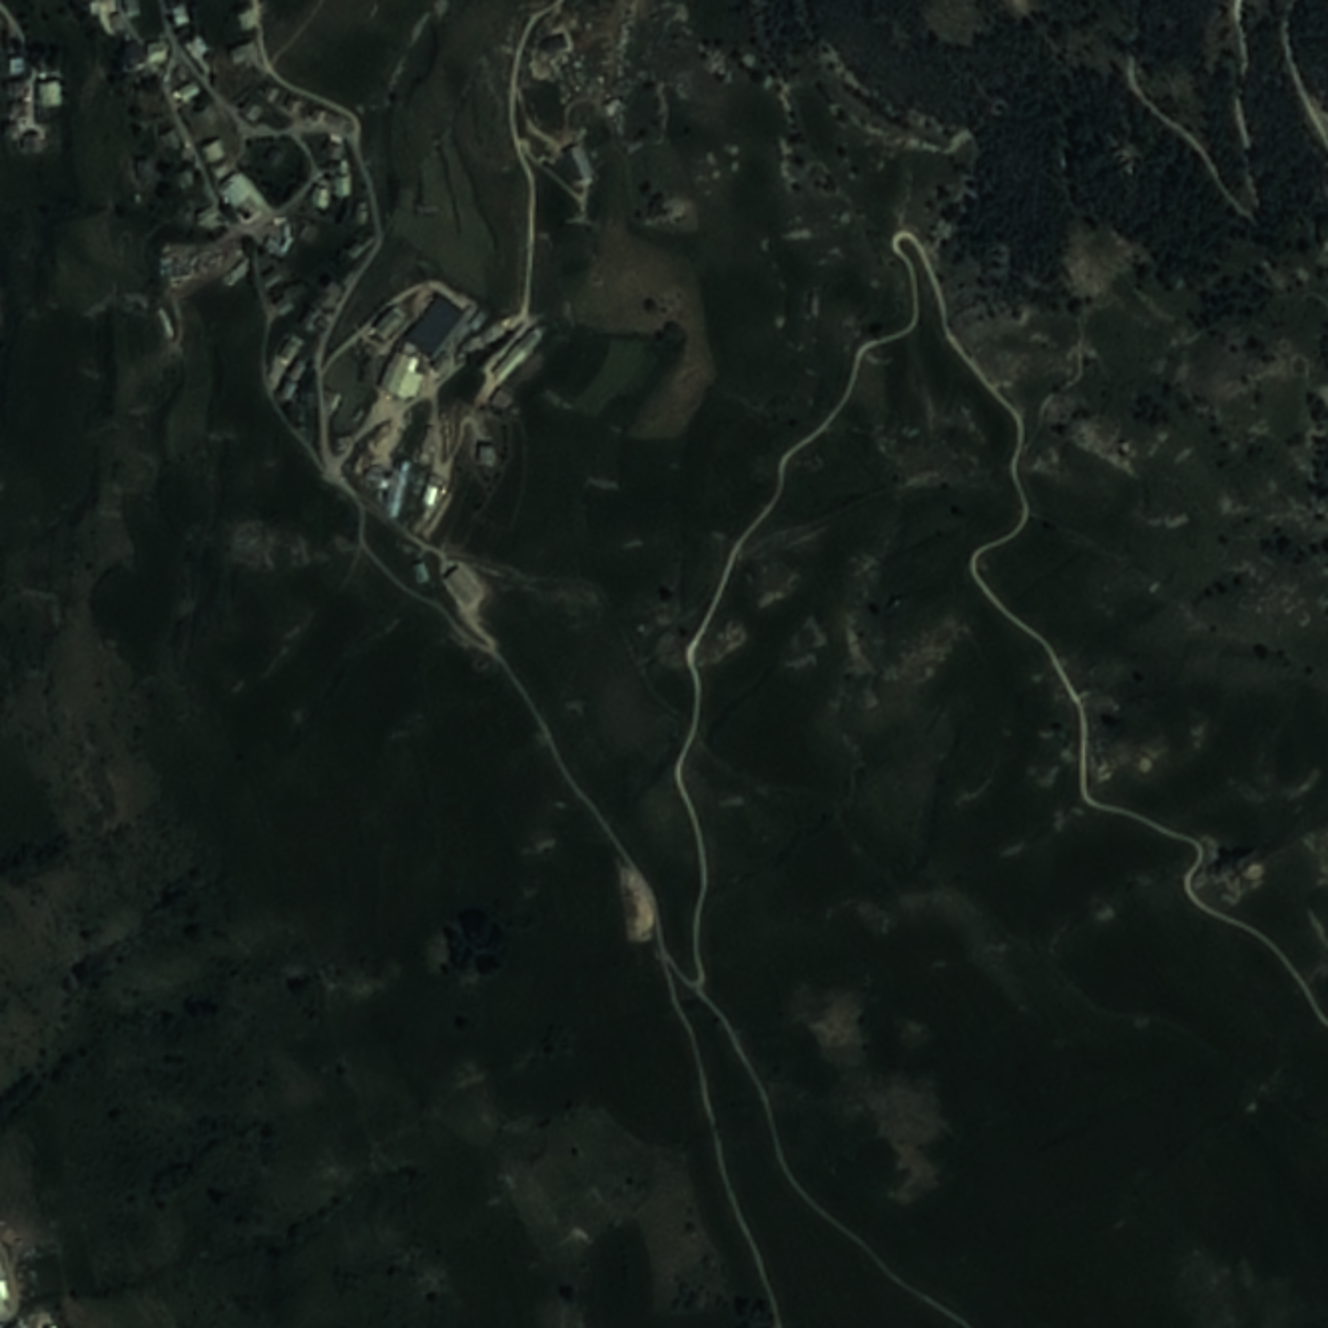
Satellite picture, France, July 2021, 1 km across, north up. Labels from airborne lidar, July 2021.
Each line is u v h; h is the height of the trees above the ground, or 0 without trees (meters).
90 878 0
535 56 0
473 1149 0
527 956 0
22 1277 0
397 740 0
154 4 0
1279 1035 0
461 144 0
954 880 0
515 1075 0
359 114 0
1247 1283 0
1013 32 16
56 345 0
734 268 0
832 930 0
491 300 0
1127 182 9
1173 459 0
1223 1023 0
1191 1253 0
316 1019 7
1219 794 0
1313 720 0
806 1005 0
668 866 0
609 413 0
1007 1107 0
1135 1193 0
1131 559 0
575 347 0
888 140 0
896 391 0
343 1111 0
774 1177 0
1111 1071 0
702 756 0
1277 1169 0
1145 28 14
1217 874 0
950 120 10
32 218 0
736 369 0
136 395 0
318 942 0
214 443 0
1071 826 0
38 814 0
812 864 0
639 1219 0
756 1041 0
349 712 0
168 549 0
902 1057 0
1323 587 0
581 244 0
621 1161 0
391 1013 0
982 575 0
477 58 0
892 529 0
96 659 0
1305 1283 0
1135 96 17
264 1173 0
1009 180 8
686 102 0
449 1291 0
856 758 0
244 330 0
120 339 0
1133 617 0
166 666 0
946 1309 0
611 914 0
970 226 15
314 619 0
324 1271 0
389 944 0
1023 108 15
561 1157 0
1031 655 0
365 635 0
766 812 0
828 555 0
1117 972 0
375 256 0
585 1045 0
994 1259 0
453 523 0
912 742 0
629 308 0
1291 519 0
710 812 0
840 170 0
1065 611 0
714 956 0
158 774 0
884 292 0
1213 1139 0
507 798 0
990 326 0
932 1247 0
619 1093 0
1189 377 0
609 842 0
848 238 0
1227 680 0
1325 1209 0
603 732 0
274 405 0
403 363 0
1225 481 0
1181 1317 0
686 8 0
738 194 0
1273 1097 0
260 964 0
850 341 0
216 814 0
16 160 0
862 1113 0
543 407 0
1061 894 0
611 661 0
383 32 0
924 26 12
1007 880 0
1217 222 9
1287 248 18
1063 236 15
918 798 0
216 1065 0
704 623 0
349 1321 0
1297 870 0
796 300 0
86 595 0
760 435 0
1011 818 0
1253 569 0
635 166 0
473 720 0
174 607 0
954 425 0
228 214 12
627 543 0
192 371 0
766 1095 0
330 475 0
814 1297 0
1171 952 0
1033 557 0
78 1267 0
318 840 0
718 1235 0
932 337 0
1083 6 12
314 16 0
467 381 0
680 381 0
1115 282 0
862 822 0
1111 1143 0
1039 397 0
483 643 0
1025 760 0
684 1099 0
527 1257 0
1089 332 0
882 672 0
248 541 0
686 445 0
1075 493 0
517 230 0
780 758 0
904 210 0
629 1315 0
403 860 0
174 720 0
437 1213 0
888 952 0
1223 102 12
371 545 0
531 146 0
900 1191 0
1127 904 0
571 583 0
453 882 0
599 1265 0
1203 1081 0
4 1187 0
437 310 0
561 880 0
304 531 0
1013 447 0
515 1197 0
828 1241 0
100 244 0
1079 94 16
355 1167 0
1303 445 6
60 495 0
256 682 0
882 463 0
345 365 0
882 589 0
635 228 0
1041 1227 0
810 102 0
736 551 0
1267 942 0
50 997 0
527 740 0
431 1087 0
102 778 0
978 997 0
